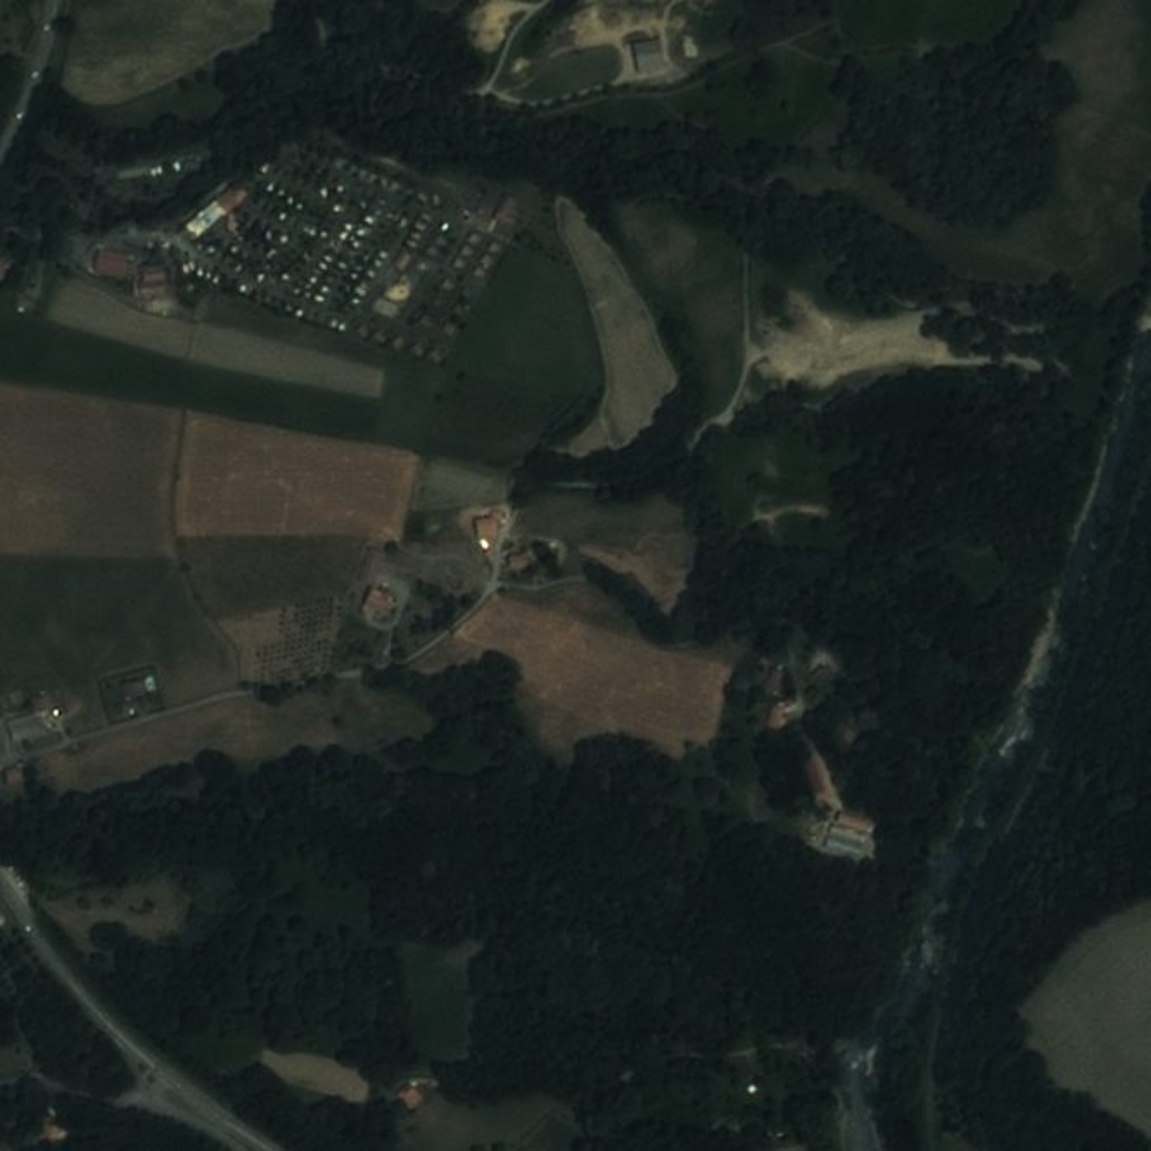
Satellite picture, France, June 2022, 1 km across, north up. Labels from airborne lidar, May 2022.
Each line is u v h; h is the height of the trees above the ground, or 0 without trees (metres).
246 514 0
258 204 7
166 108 0
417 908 19
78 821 16
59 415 0
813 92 0
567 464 16
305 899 13
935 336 10
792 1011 31
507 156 26
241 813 18
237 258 7
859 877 15
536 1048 23
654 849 18
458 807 28
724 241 0
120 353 0
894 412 20
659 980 30
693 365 9
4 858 17
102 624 0
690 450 16
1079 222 0
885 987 22
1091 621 11
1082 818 33
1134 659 25
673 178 19
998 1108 29
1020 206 18
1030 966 28
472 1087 20
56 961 0
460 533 0
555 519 0
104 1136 20
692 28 0
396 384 0
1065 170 0
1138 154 0
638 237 0
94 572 0
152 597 0
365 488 0
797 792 17
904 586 14
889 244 23
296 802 24
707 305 0
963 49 11
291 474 0
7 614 0
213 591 0
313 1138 25
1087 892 19
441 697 18
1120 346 15
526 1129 0
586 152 19
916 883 28
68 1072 25
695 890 14
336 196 7
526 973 29
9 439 0
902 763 19
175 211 12
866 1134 0
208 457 0
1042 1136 30
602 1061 25
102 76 0
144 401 0
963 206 20
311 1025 14
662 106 0
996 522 18
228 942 21
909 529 10
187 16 0
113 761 0
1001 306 17
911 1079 40
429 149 27
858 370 0
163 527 0
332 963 11
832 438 13
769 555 19
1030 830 10
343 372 0
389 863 29
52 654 0
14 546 0
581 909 25
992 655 24
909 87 9
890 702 26
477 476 0
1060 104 18
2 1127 19
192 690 0
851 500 14
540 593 0
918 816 24
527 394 0
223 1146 10
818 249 18
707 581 20
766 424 9
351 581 0
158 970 11
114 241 0
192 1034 14
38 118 15
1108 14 0
